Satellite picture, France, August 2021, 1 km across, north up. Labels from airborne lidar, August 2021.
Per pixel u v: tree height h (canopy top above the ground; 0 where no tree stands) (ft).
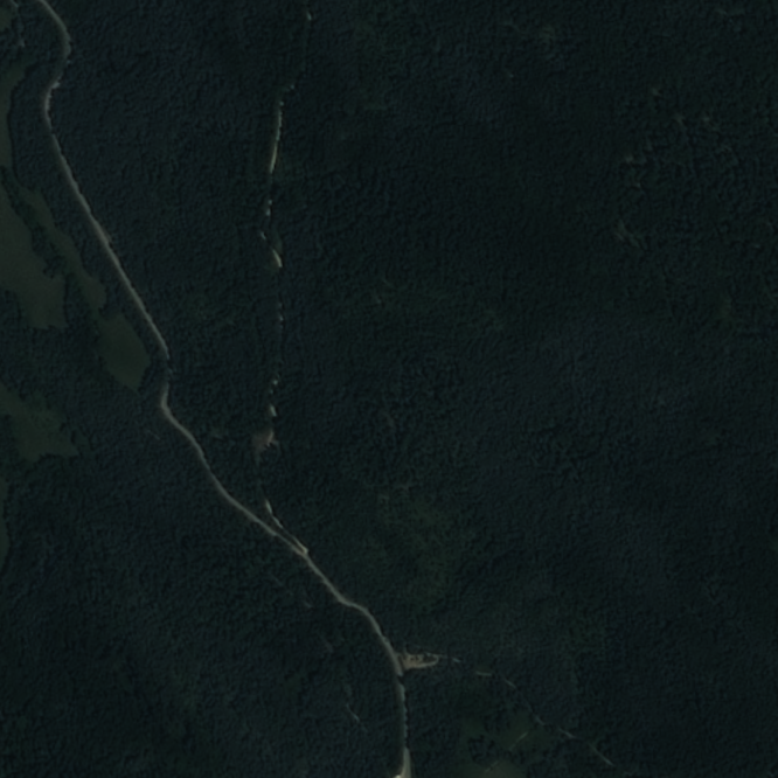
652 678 62
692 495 72
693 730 59
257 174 32
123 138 35
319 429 59
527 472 59
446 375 81
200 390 81
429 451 58
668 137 81
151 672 50
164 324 43
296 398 33
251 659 41
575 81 63
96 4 39
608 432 42
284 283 48
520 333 37
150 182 27
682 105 76
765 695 52
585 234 51
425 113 49
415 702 41
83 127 39
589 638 25
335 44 55
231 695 25
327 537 60
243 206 31
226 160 56
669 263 67
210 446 37
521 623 19
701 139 73
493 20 46
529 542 67
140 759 49
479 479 47
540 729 29
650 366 55
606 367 58
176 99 44
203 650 39
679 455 58
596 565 66
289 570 60
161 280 47
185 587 45
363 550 24
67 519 69
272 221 32
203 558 56
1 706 76
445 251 49
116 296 28
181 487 58
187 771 50
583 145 71
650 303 73
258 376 75
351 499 38
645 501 71
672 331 51
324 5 43
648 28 61
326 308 40
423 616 29
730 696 75
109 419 30
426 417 71
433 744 45
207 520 53
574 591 42
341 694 37
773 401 41
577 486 45
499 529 53
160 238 41
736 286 29
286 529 40
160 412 38
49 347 29
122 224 35
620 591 51
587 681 51
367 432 73
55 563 60
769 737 64
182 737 0
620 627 48
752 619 45
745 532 67
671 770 53
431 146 69
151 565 63
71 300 33
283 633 65
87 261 34
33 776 91
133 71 46
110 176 46
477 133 67
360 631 54
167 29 38
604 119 63
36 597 59
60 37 38
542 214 56
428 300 33
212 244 58
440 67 48
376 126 54
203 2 42
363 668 61
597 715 42
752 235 53
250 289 50
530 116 73
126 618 41
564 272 64
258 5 52
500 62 58
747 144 59
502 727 42
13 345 23
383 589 26
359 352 34
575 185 75
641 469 62
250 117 52
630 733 48
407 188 70
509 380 48
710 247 75
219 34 66
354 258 80
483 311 42
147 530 47
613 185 75
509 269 70
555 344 43
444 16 62
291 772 24
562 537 55
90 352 45
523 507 59
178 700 57
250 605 76
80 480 50
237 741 43
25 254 0
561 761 30
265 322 52
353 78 53
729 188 73
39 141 46
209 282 48
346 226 50
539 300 54
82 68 52
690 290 70
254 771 50
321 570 27
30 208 46
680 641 63
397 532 25
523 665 23
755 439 55
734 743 73
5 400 0
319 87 72
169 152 22
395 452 61
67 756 90
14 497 61
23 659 68
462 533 31
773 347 40
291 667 47
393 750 54
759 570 57
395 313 19
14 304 30
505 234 56
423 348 48
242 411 66
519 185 60
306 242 54
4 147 0
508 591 28
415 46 25
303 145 60
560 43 34
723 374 45
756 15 67
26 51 62
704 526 72
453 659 20
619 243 61
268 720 45
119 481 52
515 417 52
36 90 32
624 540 40
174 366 54
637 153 66
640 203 65
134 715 93
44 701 59
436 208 68
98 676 61
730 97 78
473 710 23
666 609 60
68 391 34
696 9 40
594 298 51
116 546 31
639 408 52
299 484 64
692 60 52
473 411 48
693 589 59
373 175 26
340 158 75
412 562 45
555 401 52
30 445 0
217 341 72
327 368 60
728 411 59
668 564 52
